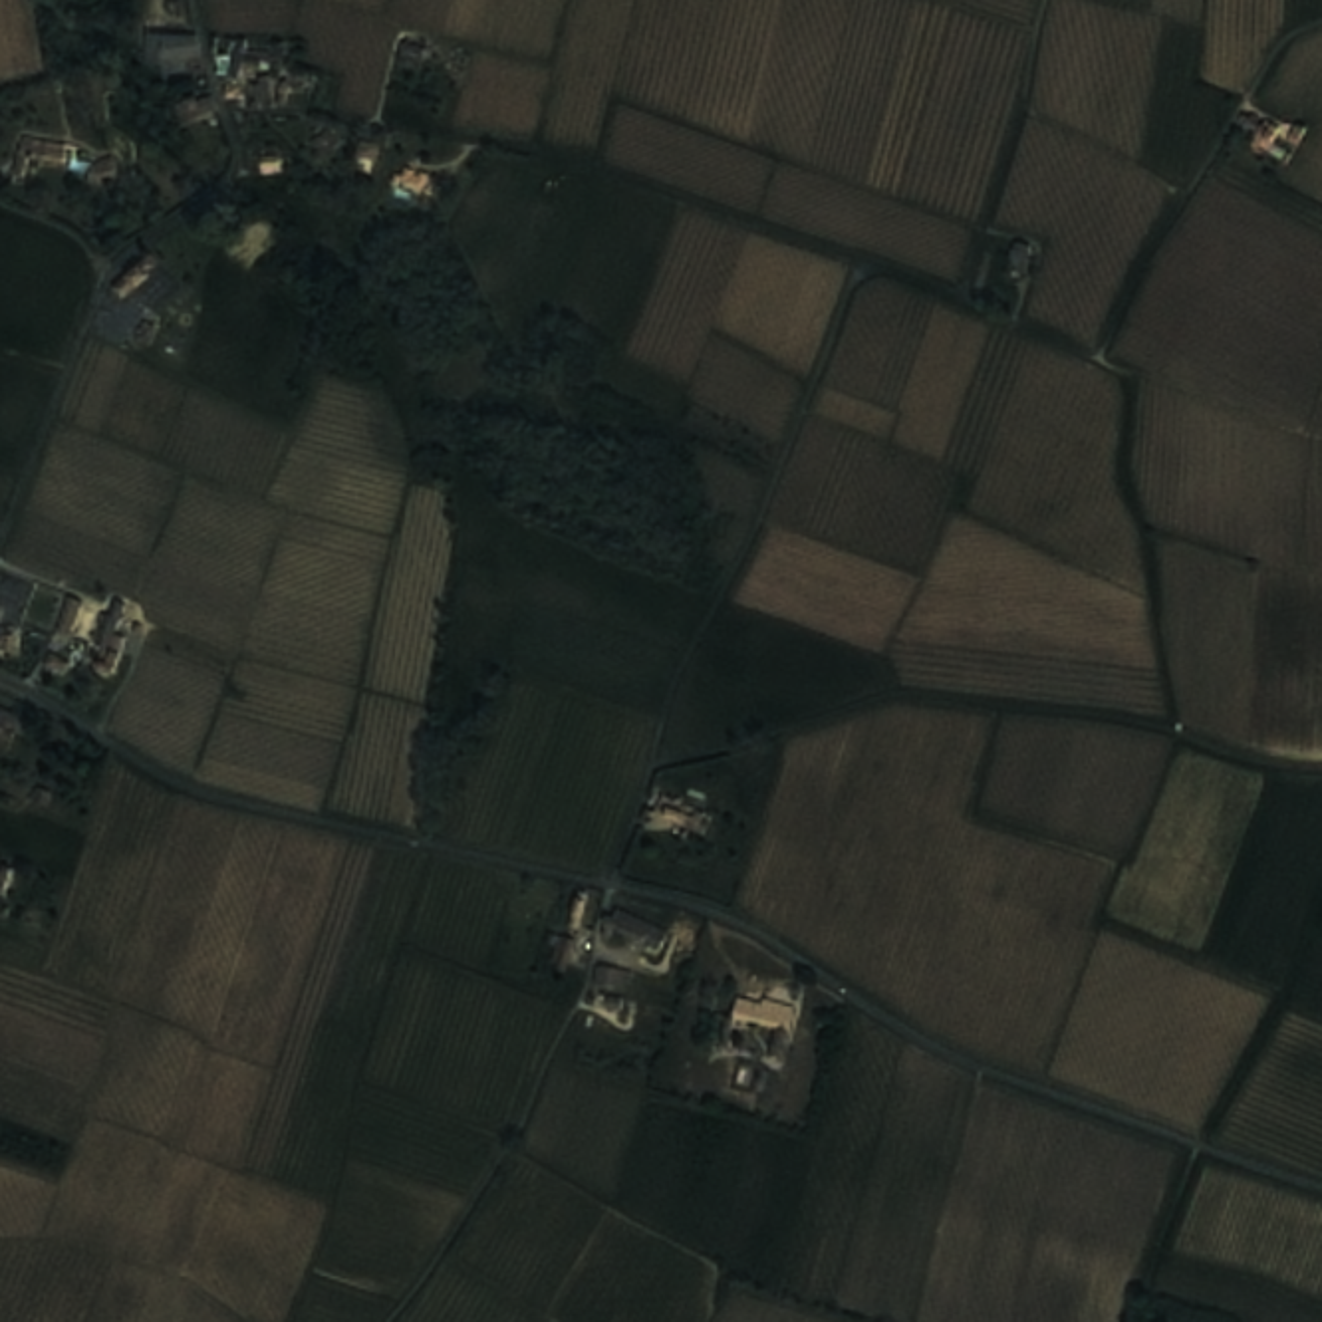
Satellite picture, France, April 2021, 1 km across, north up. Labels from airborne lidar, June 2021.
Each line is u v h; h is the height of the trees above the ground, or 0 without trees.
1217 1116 0
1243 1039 0
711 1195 0
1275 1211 0
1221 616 0
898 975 0
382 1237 0
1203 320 0
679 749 0
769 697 0
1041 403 0
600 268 0
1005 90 0
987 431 0
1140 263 0
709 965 0
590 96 0
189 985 0
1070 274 0
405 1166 0
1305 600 0
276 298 0
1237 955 0
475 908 0
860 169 0
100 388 0
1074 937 0
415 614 0
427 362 22
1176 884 0
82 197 11
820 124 0
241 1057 0
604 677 0
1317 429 0
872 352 0
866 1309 0
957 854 0
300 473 0
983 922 0
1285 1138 0
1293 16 0
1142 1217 0
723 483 0
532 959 0
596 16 0
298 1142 0
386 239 19
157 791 0
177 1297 0
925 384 0
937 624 0
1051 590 0
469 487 0
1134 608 0
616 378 0
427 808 20
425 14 0
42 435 0
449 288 18
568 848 0
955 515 0
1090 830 0
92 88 20
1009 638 0
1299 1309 0
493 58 0
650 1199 0
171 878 0
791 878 0
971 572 0
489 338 15
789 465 0
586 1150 0
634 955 0
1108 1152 0
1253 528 0
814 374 0
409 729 0
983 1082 0
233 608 0
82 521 0
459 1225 0
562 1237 0
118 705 0
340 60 0
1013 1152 0
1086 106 0
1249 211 0
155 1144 0
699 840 5
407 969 0
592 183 0
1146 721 0
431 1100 0
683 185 0
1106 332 0
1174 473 0
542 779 0
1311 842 0
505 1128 0
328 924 0
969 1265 0
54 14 19
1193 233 0
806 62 0
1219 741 0
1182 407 0
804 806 0
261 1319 0
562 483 17
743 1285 13
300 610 0
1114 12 0
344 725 0
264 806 0
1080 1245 0
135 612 0
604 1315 0
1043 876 0
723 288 0
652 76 0
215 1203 0
